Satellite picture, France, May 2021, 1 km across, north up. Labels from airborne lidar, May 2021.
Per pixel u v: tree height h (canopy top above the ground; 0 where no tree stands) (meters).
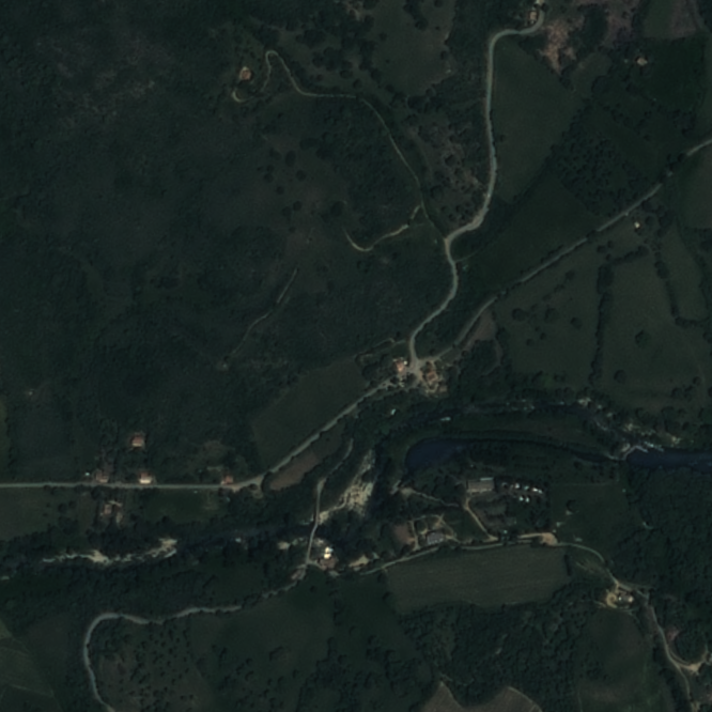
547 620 7
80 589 12
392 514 6
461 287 6
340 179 0
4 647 0
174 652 11
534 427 0
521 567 0
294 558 10
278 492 9
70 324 8
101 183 0
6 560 14
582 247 7
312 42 8
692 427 17
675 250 0
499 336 13
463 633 7
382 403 10
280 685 6
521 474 6
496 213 6
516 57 0
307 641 0
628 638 0
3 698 0
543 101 0
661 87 0
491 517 8
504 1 6
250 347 0
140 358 8
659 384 0
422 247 0
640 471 11
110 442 7
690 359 0
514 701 0
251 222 0
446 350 0
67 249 6
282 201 0
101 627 6
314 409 0
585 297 0
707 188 0
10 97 10
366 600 0
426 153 0
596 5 8
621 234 0
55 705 0
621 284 0
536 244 0
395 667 16
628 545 11
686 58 0
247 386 7
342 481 9
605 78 9
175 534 10
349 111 13
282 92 8
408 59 0
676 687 15
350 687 10
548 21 0
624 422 19
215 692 0
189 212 6
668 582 19
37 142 9
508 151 0
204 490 0
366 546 10
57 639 0
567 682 8
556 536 6
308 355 6
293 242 0
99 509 6
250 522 8
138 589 11
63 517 7
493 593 0
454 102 7
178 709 0
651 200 7
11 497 0
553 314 14
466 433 9
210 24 6
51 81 6
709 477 17
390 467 21
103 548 7
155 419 6
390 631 0
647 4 7
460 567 0
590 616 8
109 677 0
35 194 8
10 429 6
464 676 12
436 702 0
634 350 0
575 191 10
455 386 11
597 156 10
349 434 10
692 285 0
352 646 0
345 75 9
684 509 13
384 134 10
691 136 20
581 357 0
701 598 17
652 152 0
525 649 8
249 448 6
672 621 12
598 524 0
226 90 6
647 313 0
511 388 6
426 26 8
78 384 12
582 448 10
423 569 0
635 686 0
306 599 0
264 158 0
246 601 8
